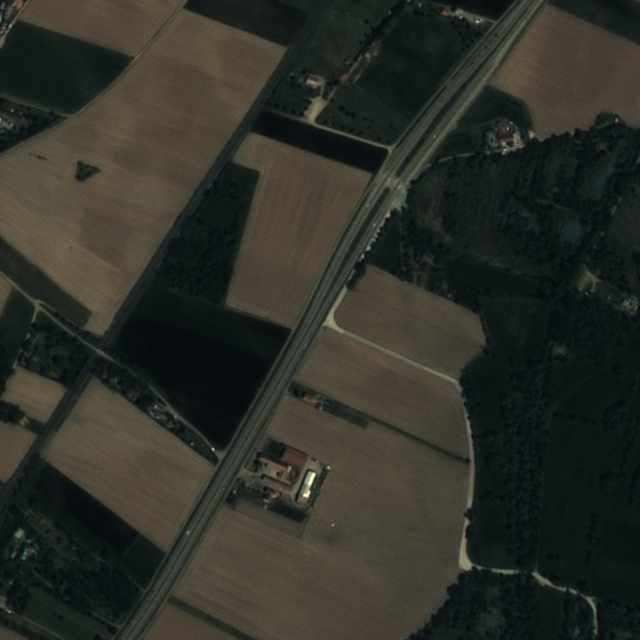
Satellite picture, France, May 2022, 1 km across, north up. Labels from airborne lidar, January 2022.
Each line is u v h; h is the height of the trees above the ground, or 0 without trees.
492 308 0
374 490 0
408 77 0
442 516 0
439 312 0
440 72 0
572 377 0
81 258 0
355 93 0
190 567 0
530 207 14
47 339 7
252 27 0
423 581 0
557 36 0
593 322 22
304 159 0
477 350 0
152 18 0
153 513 0
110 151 0
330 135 0
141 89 0
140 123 0
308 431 0
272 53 0
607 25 0
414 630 0
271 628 0
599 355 19
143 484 0
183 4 0
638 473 14
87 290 0
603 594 0
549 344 11
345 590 0
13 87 0
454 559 0
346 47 0
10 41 0
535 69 0
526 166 15
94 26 0
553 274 10
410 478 0
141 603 0
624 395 0
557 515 0
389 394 0
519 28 0
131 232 0
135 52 0
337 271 0
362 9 0
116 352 9
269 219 0
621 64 0
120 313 0
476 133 0
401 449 0
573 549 0
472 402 22
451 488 0
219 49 0
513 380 10
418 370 0
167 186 0
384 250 0
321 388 0
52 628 0
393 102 0
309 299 0
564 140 11
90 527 0
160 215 0
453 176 13
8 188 0
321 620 0
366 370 0
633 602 0
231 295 0
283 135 0
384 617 0
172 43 0
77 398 0
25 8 0
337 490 0
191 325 0
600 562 0
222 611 0
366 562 0
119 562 0
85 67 0
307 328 0
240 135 0
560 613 0
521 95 0
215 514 0
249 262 0
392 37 0
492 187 0
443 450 0
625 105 0
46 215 0
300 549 0
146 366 0
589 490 0
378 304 0
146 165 0
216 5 0
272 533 0
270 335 0
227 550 0
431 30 0
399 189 0
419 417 0
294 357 0
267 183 0
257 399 0
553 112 0
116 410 0
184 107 0
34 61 0
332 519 0
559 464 0
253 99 0
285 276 0
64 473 0
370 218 0
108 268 0
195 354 0
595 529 15
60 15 0
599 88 0
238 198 12
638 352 0
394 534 0
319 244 0
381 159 0
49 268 0
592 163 12
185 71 0
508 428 14
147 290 0
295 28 0
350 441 0
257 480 0
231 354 0
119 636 0
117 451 0
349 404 0
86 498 0
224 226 0
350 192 0
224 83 0
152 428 0
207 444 0
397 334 0
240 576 0
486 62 0
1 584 8
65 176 0
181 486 0
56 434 0
